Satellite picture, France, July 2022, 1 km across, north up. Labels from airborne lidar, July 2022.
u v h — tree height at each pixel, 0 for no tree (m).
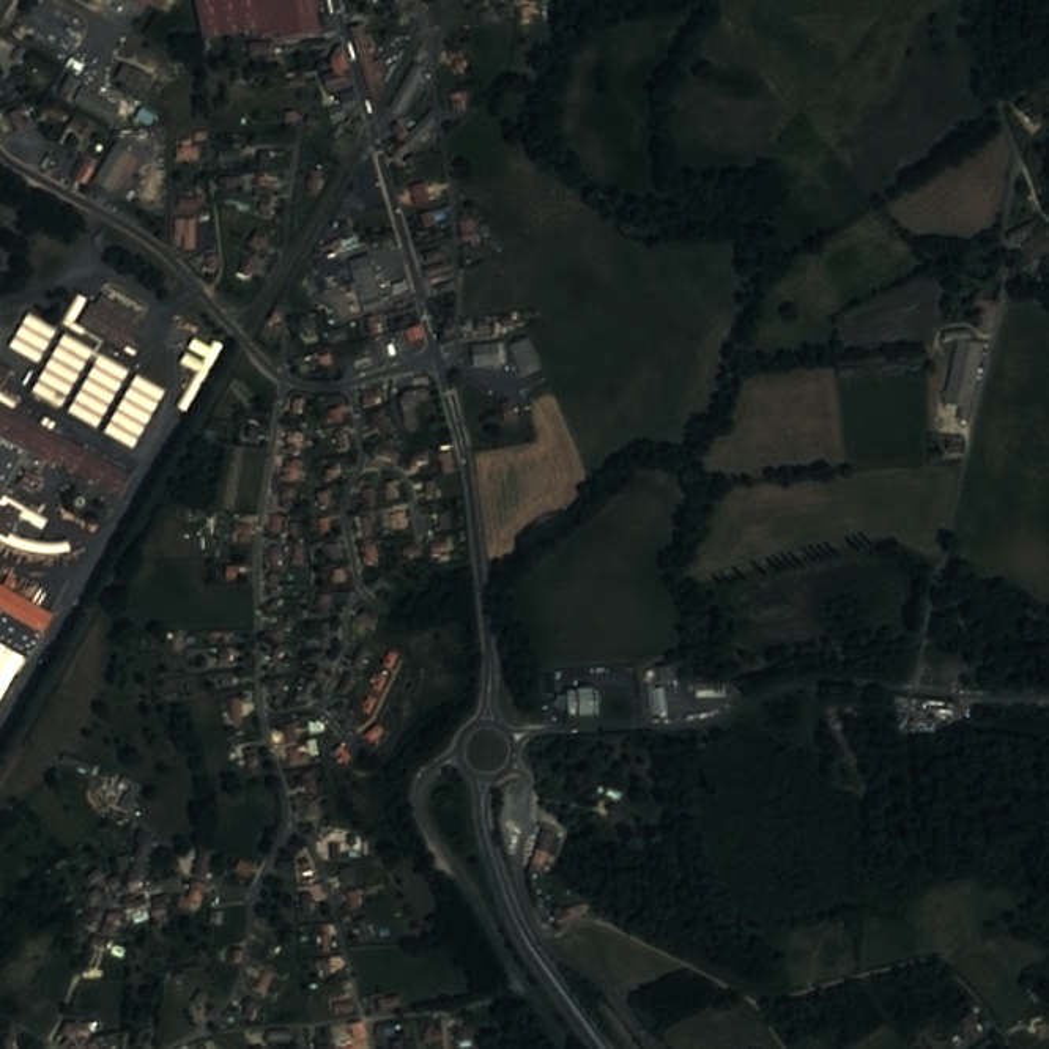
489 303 0
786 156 0
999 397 0
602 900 19
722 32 0
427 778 0
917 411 0
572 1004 0
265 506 0
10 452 0
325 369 9
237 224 0
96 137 6
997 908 0
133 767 17
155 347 0
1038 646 25
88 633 0
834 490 0
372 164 0
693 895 22
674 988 10
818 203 0
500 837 9
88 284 0
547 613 0
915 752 16
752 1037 0
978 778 14
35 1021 0
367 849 0
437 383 6
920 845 11
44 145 0
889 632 10
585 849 25
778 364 15
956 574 22
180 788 0
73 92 0
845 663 9
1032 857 16
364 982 0
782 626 0
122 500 0
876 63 0
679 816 23
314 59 7
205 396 16
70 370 0
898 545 18
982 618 24
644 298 0
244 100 0
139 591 0
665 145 26
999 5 11
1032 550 0
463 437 0
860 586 0
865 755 20
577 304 0
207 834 9
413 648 0
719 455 0
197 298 0
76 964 10
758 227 19
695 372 0
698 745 20
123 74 0
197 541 0
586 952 0
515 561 18
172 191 0
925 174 19
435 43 0
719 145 0
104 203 0
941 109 0
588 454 0
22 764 0
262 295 0
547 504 0
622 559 0
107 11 0
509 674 12
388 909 0
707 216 30
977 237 7
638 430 0
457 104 0
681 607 13
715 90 0
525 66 0
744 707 0
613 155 0
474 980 14
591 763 12
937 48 10
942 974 16
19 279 16
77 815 0
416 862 8
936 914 0
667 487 0
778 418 0
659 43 0
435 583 9
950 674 0
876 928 0
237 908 0
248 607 0
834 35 0
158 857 15
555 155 25
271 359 0
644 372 0
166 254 0
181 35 11
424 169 0
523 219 0
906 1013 13
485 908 0
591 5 26
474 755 0
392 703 0
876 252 0
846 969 0
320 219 0
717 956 12
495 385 0
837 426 0
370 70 0
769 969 10
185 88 0
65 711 0
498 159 0
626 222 17
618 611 0
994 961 0
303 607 7
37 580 0
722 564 0
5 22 0
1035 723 6
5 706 0
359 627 0
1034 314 0
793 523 0
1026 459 0
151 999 13
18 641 0
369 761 10
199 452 11
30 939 0
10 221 0
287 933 13
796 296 0
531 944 0
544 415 0
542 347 0
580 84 0
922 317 0
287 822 0
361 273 0
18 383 0
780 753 8
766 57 0
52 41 0
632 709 0
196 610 0
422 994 0
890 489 0
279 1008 0
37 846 0
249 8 0
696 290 0
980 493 0
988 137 15
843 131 0
